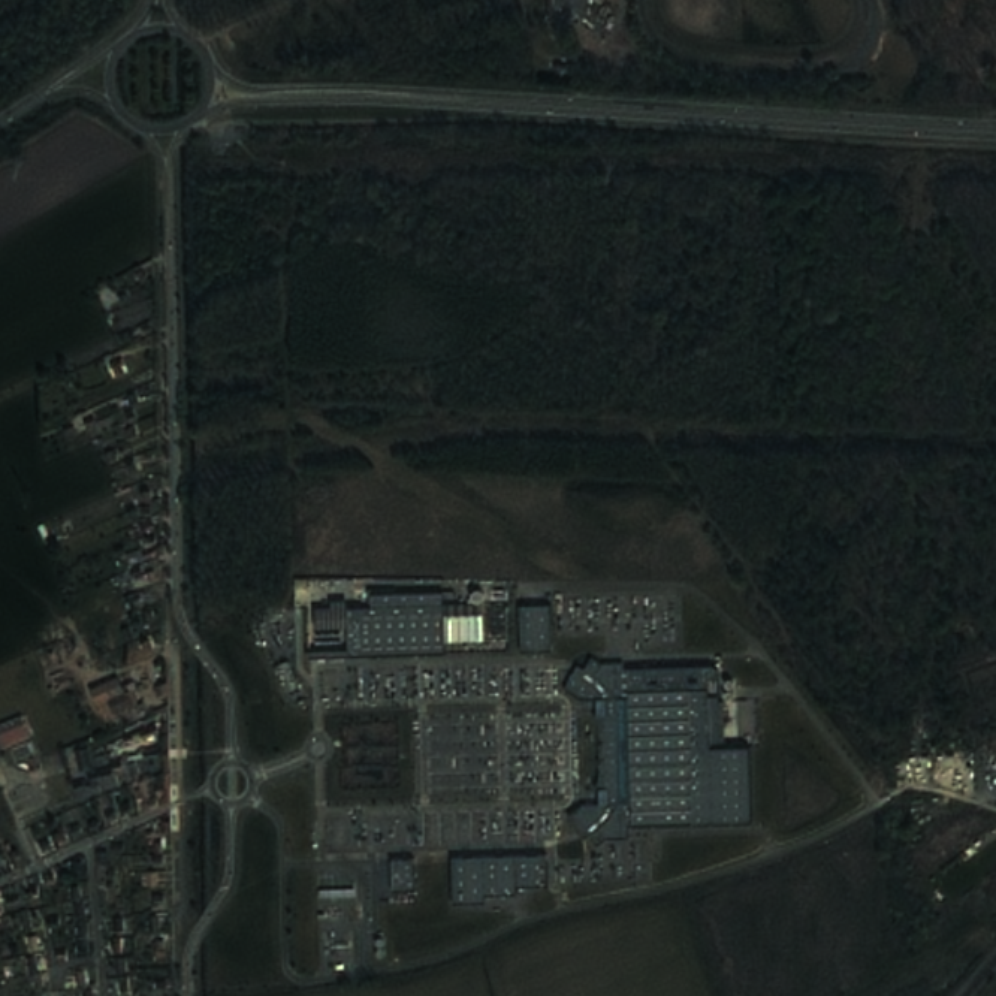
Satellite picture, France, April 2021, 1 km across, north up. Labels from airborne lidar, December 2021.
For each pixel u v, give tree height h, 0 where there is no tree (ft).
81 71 0
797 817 0
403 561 0
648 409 33
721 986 0
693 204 54
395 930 0
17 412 0
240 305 102
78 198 0
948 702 66
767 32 0
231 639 0
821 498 80
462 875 0
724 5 0
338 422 43
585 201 49
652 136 27
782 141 40
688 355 52
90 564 23
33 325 0
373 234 58
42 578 0
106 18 80
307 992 0
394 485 0
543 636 0
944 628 48
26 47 34
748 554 65
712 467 80
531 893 0
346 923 0
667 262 20
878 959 0
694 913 0
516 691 0
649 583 0
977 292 37
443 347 30
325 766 0
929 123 0
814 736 0
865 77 25
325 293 47
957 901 0
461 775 0
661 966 0
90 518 0
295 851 0
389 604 0
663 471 42
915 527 65
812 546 30
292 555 93
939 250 30
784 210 71
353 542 0
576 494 0
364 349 50
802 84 82
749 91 48
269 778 0
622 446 46
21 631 0
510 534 0
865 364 81
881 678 50
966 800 0
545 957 0
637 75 58
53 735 0
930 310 64
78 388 28
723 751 0
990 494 67
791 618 74
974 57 82
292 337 54
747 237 57
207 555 89
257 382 38
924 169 0
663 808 0
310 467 46
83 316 0
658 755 0
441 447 50
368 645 0
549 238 75
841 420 64
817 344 68
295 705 0
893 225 68
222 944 0
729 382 51
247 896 0
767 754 0
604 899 0
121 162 0
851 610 68
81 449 0
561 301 28
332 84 0
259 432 93
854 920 0
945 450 82
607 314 41
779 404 41
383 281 40
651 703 0
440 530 0
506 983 0
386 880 0
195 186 23
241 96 0
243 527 104
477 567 0
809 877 0
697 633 0
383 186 47
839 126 0
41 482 0
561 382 49
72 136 0
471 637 0
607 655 0
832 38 0
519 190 63
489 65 78
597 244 63
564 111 0
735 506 76
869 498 97
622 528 0
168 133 0
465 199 46
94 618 0
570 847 0
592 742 0
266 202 46
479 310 47
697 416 53
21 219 0
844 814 0
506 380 42
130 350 0
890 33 0
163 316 0
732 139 88
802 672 40
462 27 113
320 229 25
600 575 0
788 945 0
